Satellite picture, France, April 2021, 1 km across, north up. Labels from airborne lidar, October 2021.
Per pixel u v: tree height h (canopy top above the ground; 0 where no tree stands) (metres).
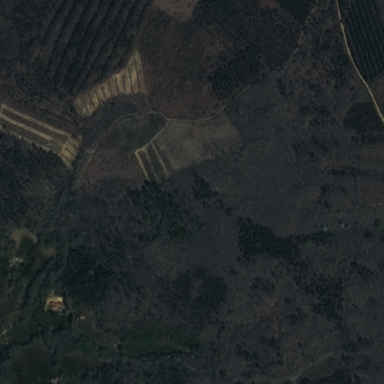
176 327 13
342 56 12
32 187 33
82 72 10
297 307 14
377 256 17
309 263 10
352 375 19
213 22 6
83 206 13
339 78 10
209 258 18
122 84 0
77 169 26
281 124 13
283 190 14
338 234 14
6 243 24
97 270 22
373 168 8
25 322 17
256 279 13
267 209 15
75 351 22
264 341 20
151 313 16
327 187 13
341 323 12
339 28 7
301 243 18
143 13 9
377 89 8
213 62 9
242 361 19
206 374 15
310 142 17
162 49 0
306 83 19
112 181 7
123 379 19
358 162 9
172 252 22
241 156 15
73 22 8
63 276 18
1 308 0
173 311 13
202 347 16
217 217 13
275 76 12
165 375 29
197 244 17
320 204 11
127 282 31
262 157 14
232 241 10
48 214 17
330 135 17
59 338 24
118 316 21
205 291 20
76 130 7
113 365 11
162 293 19
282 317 7
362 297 18
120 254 27
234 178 7
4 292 16
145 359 16
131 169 0
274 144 14
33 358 0
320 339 15
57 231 14
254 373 16
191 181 13
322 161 16
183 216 18
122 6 12
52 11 8
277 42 7
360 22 16
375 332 20
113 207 7
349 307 10
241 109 14
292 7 16
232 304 14
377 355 17
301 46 14
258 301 17
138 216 17
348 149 15
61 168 30
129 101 15
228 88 20
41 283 17
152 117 0
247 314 20
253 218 9
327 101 12
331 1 8
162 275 22
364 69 15
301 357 13
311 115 25
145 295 14
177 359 19
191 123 0
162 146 0
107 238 9
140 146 0
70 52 7
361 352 19
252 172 12
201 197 15
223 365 15
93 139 20
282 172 16
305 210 11
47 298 13
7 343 0
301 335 12
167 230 16
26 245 0
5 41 8
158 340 20
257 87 13
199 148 0
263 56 11
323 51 12
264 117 13
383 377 17
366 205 9
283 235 11
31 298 23
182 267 17
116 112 17
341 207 11
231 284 15
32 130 0
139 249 11
